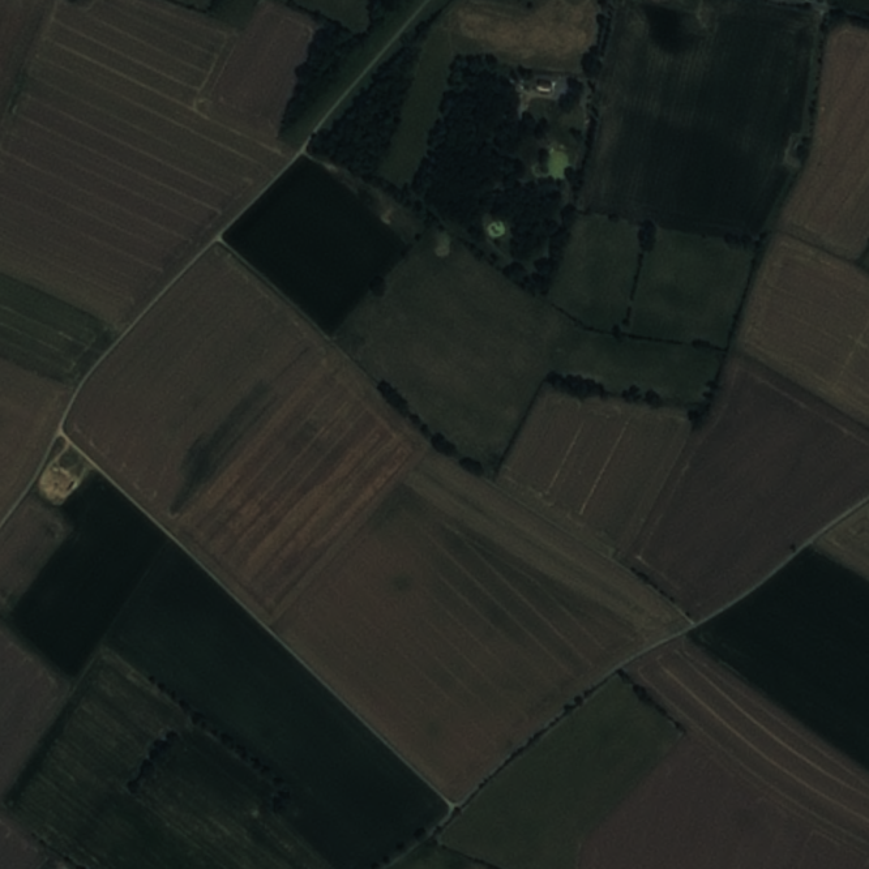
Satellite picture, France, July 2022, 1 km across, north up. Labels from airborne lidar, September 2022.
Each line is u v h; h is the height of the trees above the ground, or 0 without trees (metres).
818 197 0
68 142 0
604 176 0
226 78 0
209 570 0
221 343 0
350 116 9
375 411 0
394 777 0
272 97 0
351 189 0
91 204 0
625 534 0
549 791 0
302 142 0
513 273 15
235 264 0
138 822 0
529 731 0
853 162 0
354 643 0
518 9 0
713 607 0
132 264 0
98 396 0
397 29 0
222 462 0
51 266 0
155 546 0
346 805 0
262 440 0
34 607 0
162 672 0
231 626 0
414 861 0
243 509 0
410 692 0
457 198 21
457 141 22
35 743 0
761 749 0
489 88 23
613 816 0
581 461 0
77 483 0
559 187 12
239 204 0
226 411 0
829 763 0
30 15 0
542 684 0
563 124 0
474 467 13
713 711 0
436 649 0
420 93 0
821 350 0
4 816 0
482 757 0
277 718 0
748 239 15
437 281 0
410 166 0
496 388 0
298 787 0
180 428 0
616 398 0
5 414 0
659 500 0
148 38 0
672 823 0
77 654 0
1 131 0
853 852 0
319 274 0
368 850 0
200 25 0
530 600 0
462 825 0
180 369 0
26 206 0
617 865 0
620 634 0
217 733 9
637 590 0
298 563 0
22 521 0
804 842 0
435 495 0
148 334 0
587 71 18
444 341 0
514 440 0
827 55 0
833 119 0
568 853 0
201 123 0
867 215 0
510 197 19
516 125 15
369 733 0
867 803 0
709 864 0
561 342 0
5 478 0
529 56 0
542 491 0
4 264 0
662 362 0
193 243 0
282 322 0
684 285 0
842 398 0
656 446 0
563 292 0
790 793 0
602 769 0
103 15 0
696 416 16
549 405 0
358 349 0
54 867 0
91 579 0
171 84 0
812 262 0
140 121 0
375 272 0
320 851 0
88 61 0
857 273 0
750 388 0
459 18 0
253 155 0
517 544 0
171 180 0
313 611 0
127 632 0
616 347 0
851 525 0
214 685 0
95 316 0
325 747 0
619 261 0
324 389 0
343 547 0
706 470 0
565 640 0
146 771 12
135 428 0
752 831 0
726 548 0
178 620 0
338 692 0
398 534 0
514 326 0
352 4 0
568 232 16
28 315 0
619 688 0
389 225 0
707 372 0
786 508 0
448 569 0
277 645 0
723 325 0
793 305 0
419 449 0
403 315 0
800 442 0
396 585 0
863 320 0
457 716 0
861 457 0
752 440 0
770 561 0
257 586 0
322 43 23
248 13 0
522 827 0
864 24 13
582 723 0
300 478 0
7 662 0
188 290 0
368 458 0
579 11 0
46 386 0
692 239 0
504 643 0
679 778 0
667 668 0
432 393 0
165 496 0
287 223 0
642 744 0
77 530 0
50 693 0
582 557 0
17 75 0
